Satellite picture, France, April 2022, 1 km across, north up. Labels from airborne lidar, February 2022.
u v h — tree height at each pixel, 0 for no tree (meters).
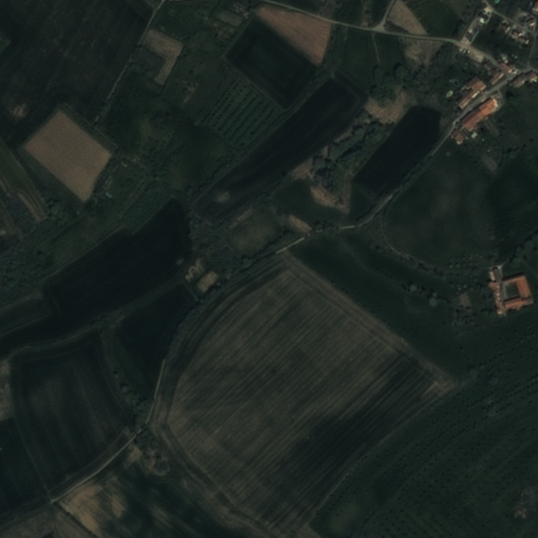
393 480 0
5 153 0
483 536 0
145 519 0
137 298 0
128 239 0
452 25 0
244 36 0
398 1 0
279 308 0
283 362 0
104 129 12
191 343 0
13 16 0
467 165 0
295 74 0
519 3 14
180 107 0
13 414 0
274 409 0
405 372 0
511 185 0
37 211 0
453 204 0
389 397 0
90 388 0
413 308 0
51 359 0
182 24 0
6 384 0
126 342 0
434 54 0
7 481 0
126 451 0
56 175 0
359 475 0
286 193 0
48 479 0
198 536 0
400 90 0
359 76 0
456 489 0
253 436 0
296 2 0
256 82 0
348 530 0
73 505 0
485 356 0
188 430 0
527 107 0
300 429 0
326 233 13
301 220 0
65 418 0
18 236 0
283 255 0
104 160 0
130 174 0
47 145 0
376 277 0
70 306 0
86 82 0
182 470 0
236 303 0
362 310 0
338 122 0
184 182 0
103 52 0
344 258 0
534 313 0
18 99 0
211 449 0
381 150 0
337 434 0
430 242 0
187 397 0
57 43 0
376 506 0
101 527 0
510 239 0
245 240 0
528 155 0
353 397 0
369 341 0
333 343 0
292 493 0
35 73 0
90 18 0
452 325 0
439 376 0
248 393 0
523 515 0
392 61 0
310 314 0
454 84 0
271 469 0
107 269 0
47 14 0
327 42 0
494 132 0
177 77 0
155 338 0
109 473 0
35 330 0
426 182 0
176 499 0
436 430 0
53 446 0
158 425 0
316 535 0
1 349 0
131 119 0
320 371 0
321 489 0
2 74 0
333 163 14
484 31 0
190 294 0
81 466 0
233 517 0
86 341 0
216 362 0
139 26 0
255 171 0
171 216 0
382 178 0
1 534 0
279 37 0
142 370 0
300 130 0
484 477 0
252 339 0
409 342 0
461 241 0
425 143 0
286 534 0
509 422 0
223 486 0
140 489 0
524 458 0
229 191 0
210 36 0
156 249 0
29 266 18
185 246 0
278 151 0
